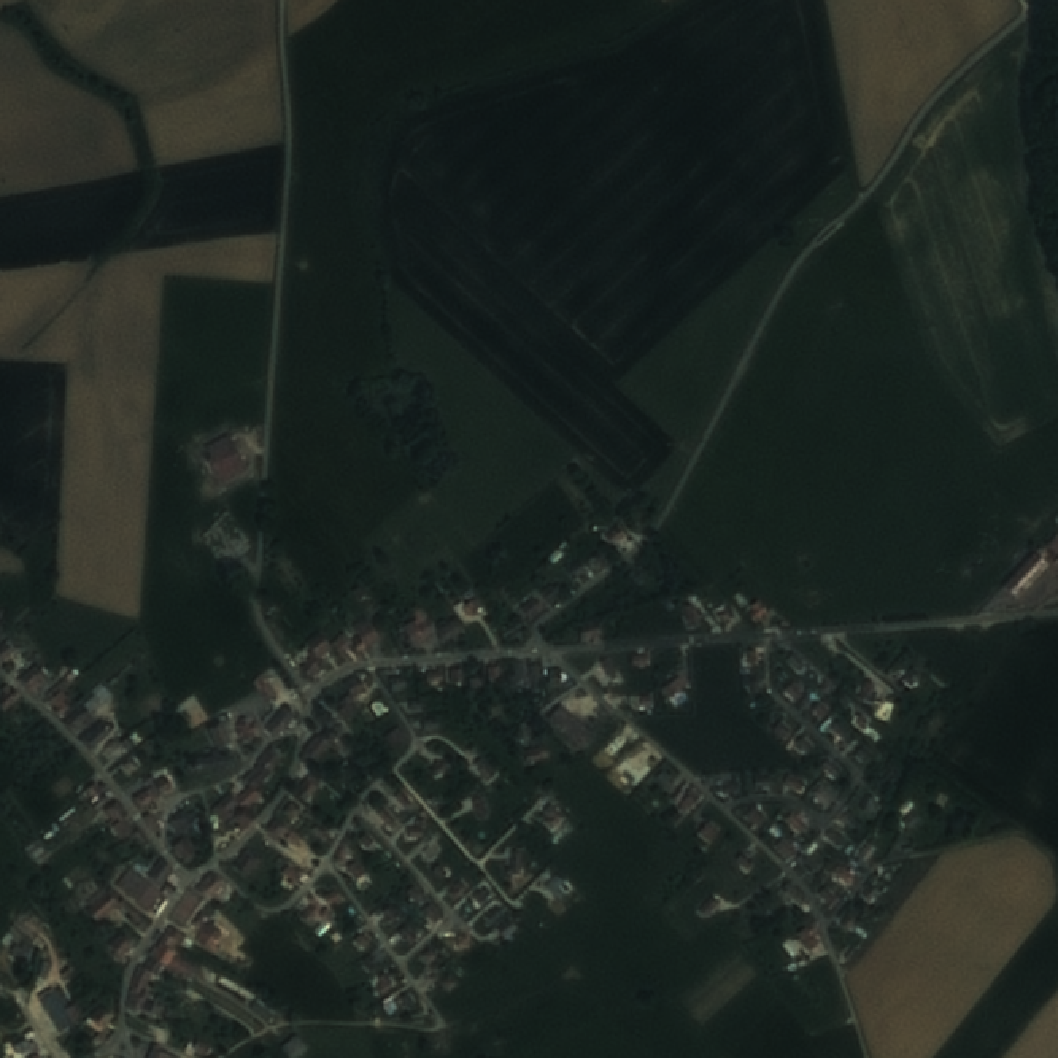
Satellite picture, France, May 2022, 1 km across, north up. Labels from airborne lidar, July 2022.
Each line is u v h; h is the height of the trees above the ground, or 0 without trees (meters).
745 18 0
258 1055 14
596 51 0
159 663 0
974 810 11
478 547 0
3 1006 0
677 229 0
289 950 0
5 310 0
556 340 0
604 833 0
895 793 10
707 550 0
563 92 0
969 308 0
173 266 0
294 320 0
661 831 6
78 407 0
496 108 0
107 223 0
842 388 0
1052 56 22
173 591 0
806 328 0
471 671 8
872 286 0
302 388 0
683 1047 0
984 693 0
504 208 0
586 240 0
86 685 0
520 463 0
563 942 0
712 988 0
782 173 0
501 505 0
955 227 0
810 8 0
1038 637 0
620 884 0
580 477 14
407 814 0
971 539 0
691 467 0
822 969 0
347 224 0
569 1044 0
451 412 0
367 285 0
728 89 0
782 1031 0
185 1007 0
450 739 0
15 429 0
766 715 8
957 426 0
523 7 0
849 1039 0
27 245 0
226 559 0
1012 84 0
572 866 0
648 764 0
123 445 0
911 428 0
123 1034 0
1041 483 0
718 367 0
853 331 0
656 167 0
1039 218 18
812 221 0
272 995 15
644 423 0
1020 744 0
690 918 0
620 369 0
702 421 0
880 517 0
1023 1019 0
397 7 0
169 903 0
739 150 0
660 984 0
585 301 0
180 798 0
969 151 0
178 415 0
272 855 0
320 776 18
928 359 0
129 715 0
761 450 0
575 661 0
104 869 9
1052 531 0
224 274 0
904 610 0
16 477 0
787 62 0
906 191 0
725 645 0
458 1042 0
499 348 0
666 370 0
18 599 0
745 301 0
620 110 0
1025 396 0
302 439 0
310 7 0
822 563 0
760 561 0
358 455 0
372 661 0
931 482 0
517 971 0
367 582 6
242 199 0
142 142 0
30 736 6
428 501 0
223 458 0
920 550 0
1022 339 0
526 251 0
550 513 0
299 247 0
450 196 0
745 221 0
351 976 0
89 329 0
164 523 0
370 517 0
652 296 0
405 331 0
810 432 0
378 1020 0
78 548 0
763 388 0
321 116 0
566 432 0
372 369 0
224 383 0
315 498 0
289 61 0
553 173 0
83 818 0
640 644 0
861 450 0
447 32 0
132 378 0
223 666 0
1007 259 0
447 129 0
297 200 0
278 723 0
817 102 0
